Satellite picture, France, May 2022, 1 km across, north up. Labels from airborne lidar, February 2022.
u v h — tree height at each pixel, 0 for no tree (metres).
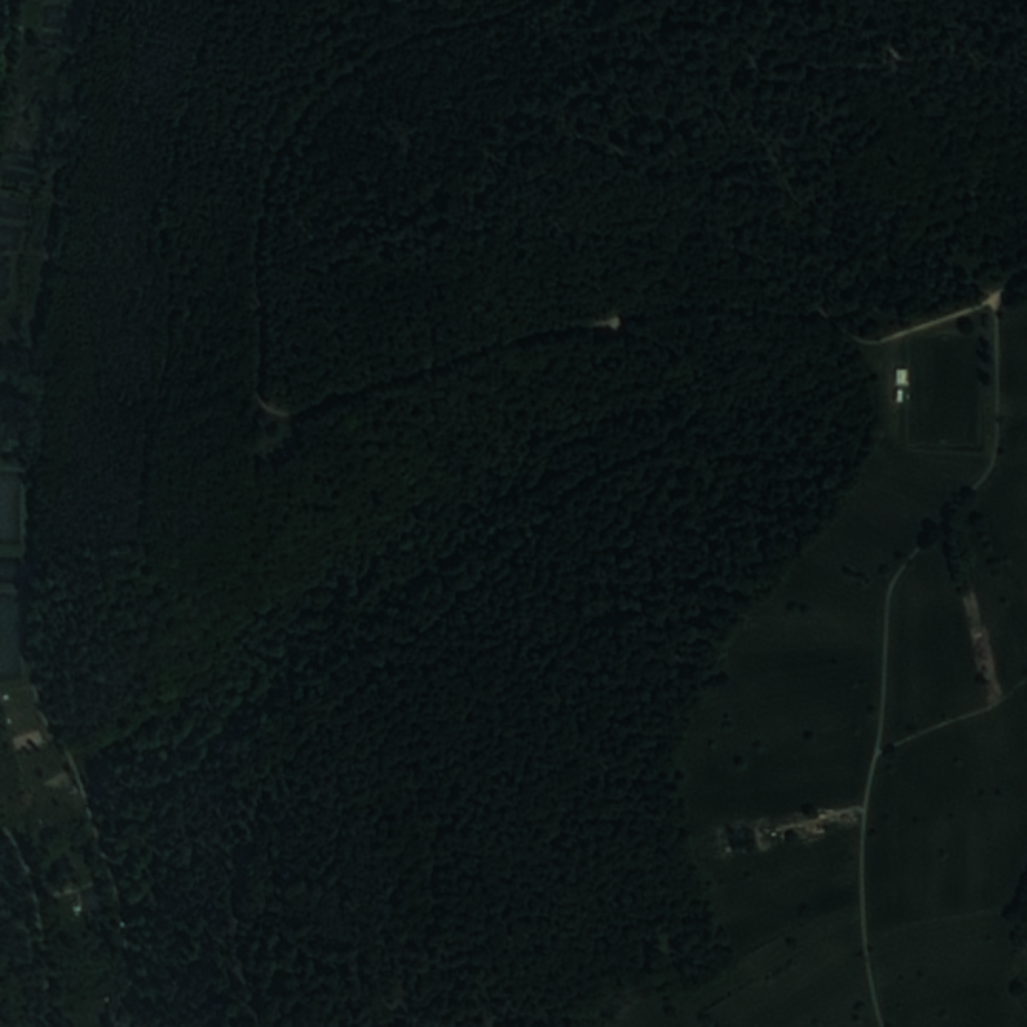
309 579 31
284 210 23
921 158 14
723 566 27
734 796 0
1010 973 0
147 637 17
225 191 20
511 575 26
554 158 27
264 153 27
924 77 10
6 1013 27
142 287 13
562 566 27
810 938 0
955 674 0
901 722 0
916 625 0
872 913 0
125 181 16
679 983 21
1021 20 6
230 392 22
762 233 25
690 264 24
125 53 20
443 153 9
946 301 20
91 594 27
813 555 0
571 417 29
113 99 22
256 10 29
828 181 9
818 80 17
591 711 30
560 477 26
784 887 0
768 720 0
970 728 0
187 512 19
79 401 20
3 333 0
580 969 28
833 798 0
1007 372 0
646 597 12
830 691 0
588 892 28
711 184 29
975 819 0
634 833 27
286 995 34
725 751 0
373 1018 11
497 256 26
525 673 29
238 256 22
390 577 28
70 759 0
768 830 0
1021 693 0
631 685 20
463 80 13
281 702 28
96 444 18
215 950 23
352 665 29
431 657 28
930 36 10
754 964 0
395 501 28
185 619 18
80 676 22
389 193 13
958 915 0
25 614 22
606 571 29
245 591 21
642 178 27
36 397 22
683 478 18
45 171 21
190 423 17
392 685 28
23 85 0
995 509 0
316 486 29
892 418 0
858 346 0
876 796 0
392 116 15
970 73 13
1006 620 0
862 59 7
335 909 12
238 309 21
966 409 0
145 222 16
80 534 19
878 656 0
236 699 29
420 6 11
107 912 16
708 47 28
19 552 0
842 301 28
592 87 34
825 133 9
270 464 23
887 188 10
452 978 10
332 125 13
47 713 11
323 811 12
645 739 26
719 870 0
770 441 28
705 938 23
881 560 0
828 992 0
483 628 29
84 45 17
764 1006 0
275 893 6
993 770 0
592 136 33
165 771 25
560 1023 16
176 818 19
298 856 10
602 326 0
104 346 17
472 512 21
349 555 34
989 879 0
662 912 26
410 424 27
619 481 29
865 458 7
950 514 15
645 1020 0
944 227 21
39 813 0
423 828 11
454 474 26
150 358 15
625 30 32
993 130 11
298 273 24
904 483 0
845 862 0
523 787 28
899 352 0
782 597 0
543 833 27
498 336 26
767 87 14
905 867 0
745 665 0
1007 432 0
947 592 0
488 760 28
